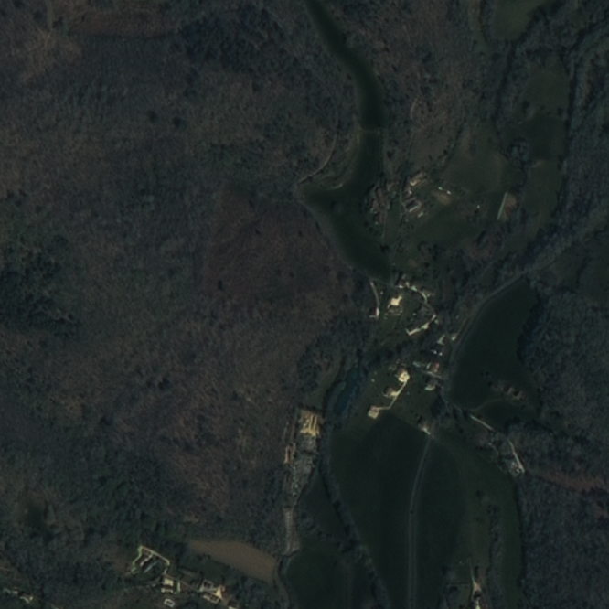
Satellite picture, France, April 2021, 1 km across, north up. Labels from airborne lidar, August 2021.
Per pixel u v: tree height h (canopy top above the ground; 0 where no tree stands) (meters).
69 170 14
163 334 17
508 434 17
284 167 13
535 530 20
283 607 10
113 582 22
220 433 15
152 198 23
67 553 18
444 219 0
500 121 16
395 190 10
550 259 21
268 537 13
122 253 15
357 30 11
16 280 21
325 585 0
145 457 16
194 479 15
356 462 0
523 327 0
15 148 14
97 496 24
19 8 20
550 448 19
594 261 6
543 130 0
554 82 0
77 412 10
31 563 21
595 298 0
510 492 0
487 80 8
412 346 16
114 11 22
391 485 0
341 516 19
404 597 0
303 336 14
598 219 25
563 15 24
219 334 16
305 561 0
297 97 16
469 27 22
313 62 20
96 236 18
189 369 16
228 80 17
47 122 20
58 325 15
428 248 8
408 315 0
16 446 15
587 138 23
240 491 15
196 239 0
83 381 19
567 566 15
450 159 7
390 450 0
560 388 23
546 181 0
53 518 17
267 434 9
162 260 13
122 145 11
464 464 0
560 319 26
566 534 17
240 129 18
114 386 20
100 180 12
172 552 8
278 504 16
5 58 17
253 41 32
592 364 21
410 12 15
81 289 21
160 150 22
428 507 0
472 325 0
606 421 21
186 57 11
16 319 20
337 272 6
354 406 18
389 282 0
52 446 19
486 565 0
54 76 15
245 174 25
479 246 5
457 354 0
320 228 15
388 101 12
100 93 12
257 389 11
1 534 12
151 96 22
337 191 0
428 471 0
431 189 0
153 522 19
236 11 14
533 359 26
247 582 15
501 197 0
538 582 16
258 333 15
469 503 0
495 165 0
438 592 0
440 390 7
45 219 17
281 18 14
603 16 7
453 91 12
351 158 0
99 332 18
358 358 14
